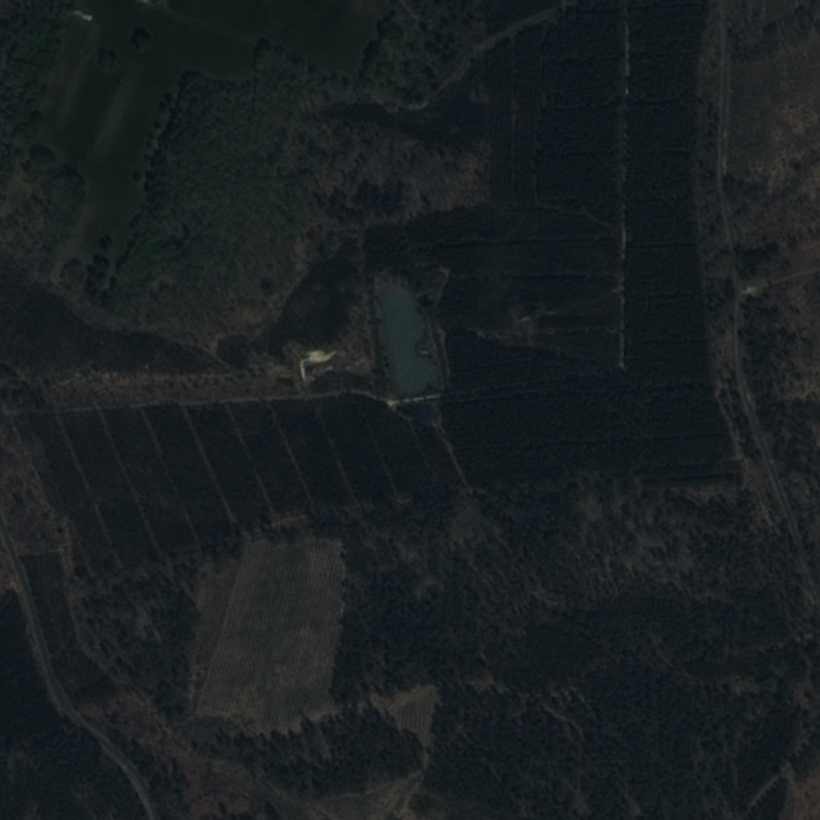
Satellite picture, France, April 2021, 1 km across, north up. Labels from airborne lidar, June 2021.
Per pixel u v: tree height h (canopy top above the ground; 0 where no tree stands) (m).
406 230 7
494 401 13
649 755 18
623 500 13
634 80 12
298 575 0
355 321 7
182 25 0
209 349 8
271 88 14
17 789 14
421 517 9
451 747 14
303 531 8
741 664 12
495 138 8
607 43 14
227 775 0
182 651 13
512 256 6
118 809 15
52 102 0
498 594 18
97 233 0
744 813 15
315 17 0
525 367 13
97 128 0
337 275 7
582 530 18
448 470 9
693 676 13
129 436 9
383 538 13
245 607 0
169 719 19
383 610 16
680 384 11
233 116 12
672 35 15
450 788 14
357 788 17
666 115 12
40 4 9
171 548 9
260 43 0
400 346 0
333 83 11
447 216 10
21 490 14
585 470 12
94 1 0
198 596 11
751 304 9
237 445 10
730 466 6
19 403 11
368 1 0
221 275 10
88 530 7
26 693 9
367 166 9
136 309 18
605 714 15
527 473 13
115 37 0
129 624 11
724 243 10
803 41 14
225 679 0
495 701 16
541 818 14
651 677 18
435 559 14
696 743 9
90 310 8
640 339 13
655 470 9
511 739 17
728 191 11
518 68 9
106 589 7
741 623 16
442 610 23
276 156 15
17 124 17
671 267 12
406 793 0
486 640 18
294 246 17
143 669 21
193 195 15
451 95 6
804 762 16
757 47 13
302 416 6
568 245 9
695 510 14
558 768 10
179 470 9
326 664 0
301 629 0
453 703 14
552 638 11
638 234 12
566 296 9
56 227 22
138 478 7
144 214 13
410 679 9
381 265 9
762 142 0
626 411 12
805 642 16
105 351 6
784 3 0
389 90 19
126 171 0
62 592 7
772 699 21
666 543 12
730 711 17
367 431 9
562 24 11
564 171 14
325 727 11
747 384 10
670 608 18
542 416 14
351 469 11
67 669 9
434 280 7
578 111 14
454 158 12
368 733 19
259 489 8
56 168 16
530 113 8
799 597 14
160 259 14
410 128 8
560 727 11
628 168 12
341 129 10
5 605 8
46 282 13
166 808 16
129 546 6
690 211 12
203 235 12
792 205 9
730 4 10
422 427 9
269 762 14
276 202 14
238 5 0
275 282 12
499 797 15
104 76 0
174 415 9
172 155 18
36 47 15
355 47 0
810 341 6
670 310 13
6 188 18
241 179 19
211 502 7
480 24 7
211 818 8
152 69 0
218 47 0
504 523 21
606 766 14
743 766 14
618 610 17
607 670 16
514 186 7
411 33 13
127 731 10
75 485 9
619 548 16
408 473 8
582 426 13
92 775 18
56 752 16
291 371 0
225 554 21
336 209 14
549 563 19
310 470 9
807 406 9
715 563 16
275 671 0
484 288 8
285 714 0
